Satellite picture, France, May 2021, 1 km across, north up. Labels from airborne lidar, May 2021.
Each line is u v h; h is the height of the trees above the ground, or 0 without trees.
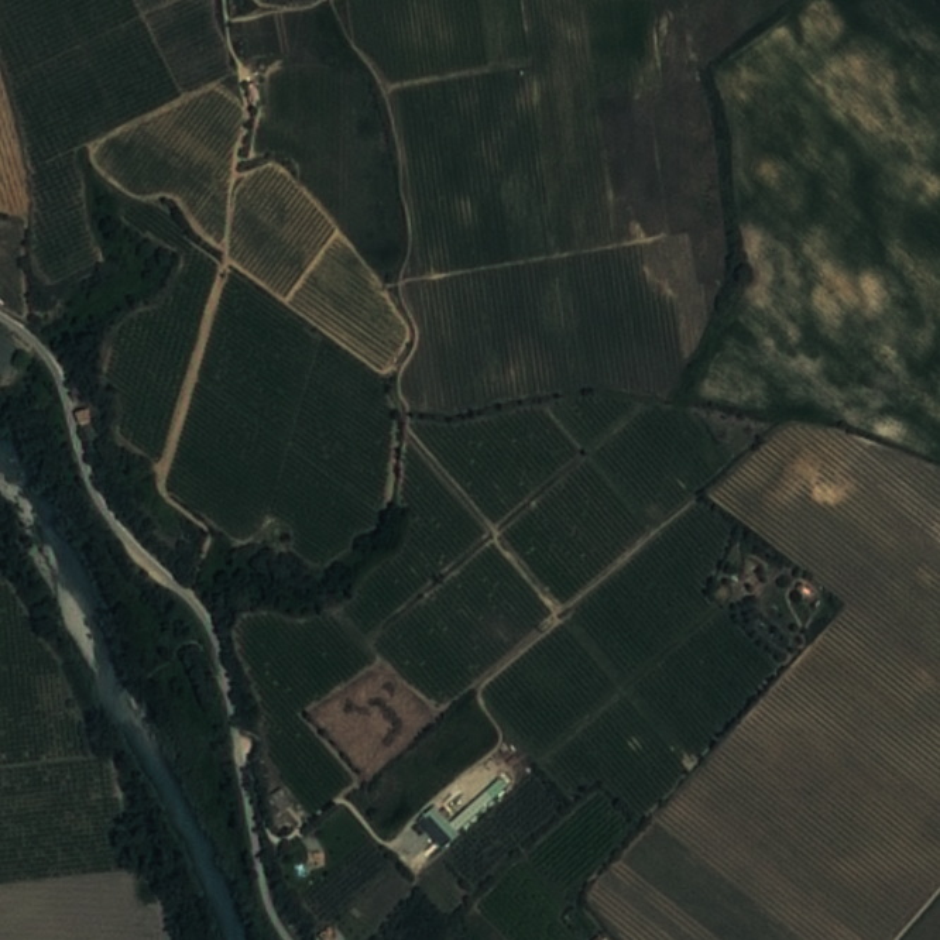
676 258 0
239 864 7
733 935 0
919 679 0
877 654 0
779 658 13
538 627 11
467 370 0
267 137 0
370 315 0
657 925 0
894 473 0
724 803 0
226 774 7
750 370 0
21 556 10
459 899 0
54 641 21
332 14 0
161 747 6
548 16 0
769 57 0
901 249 0
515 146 0
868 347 0
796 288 0
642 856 0
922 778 0
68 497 11
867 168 0
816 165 0
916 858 0
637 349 0
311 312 0
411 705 0
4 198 0
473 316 0
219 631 13
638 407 0
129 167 0
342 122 0
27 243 8
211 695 13
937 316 0
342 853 0
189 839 0
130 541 0
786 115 0
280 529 0
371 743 0
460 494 0
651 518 0
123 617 27
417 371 0
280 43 0
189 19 0
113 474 15
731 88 0
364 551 14
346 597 8
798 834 0
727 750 0
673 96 0
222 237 0
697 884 0
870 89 0
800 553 0
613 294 0
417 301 0
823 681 0
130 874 24
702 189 0
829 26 0
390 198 0
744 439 0
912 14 0
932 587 0
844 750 0
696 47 0
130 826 27
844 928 0
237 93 0
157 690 23
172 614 21
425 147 0
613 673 0
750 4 0
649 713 0
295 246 0
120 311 10
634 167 0
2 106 0
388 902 0
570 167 0
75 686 7
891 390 0
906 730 0
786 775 0
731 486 0
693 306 0
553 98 0
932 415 0
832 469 0
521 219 0
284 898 6
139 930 0
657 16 0
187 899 28
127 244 8
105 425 10
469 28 0
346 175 0
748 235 0
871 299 0
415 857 0
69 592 0
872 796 0
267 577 21
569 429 0
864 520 0
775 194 0
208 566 16
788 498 0
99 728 31
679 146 0
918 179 0
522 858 0
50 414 6
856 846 0
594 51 0
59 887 0
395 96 0
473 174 0
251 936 16
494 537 0
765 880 0
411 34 0
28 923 0
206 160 0
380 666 0
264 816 12
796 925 0
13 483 0
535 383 0
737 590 0
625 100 0
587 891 9
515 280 0
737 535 12
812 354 0
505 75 0
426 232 0
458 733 0
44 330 6
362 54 0
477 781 0
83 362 9
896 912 0
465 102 0
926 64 0
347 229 0
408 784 0
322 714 0
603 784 9
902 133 0
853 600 0
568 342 0
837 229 0
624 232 0
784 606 0
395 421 17
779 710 0
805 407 0
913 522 0
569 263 0
